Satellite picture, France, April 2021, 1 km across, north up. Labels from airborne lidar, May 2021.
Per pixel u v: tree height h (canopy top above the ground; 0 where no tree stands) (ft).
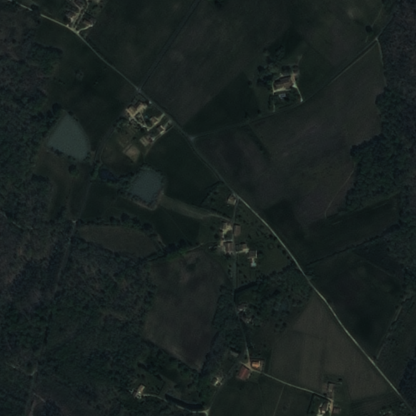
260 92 0
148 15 0
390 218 0
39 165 0
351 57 0
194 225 0
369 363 0
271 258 0
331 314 0
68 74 0
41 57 60
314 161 0
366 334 0
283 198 0
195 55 0
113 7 0
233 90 0
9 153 99
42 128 76
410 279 65
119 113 0
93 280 54
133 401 26
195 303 0
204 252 0
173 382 0
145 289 67
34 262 51
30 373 34
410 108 74
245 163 0
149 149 0
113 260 59
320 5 0
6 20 0
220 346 66
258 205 0
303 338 0
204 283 0
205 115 0
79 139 0
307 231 0
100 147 0
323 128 0
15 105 76
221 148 0
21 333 74
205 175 0
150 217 0
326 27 0
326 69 0
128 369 35
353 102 0
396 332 22
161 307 0
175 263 0
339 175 0
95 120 0
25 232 55
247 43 0
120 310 58
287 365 0
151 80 0
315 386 0
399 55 21
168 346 0
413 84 25
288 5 0
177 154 0
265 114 0
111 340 44
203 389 41
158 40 0
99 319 62
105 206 0
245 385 0
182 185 0
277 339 0
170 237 0
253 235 0
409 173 74
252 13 0
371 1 0
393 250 74
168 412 22
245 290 43
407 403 55
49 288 77
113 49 0
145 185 0
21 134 82
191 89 0
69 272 44
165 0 0
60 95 0
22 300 74
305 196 0
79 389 49
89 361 43
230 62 0
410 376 55
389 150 89
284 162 0
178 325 0
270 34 0
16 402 55
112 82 0
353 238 0
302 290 38
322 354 0
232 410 0
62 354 69
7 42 29
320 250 0
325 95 0
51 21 0
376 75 0
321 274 0
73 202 0
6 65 46
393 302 0
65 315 43
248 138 0
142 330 38
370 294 0
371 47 0
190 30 0
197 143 0
